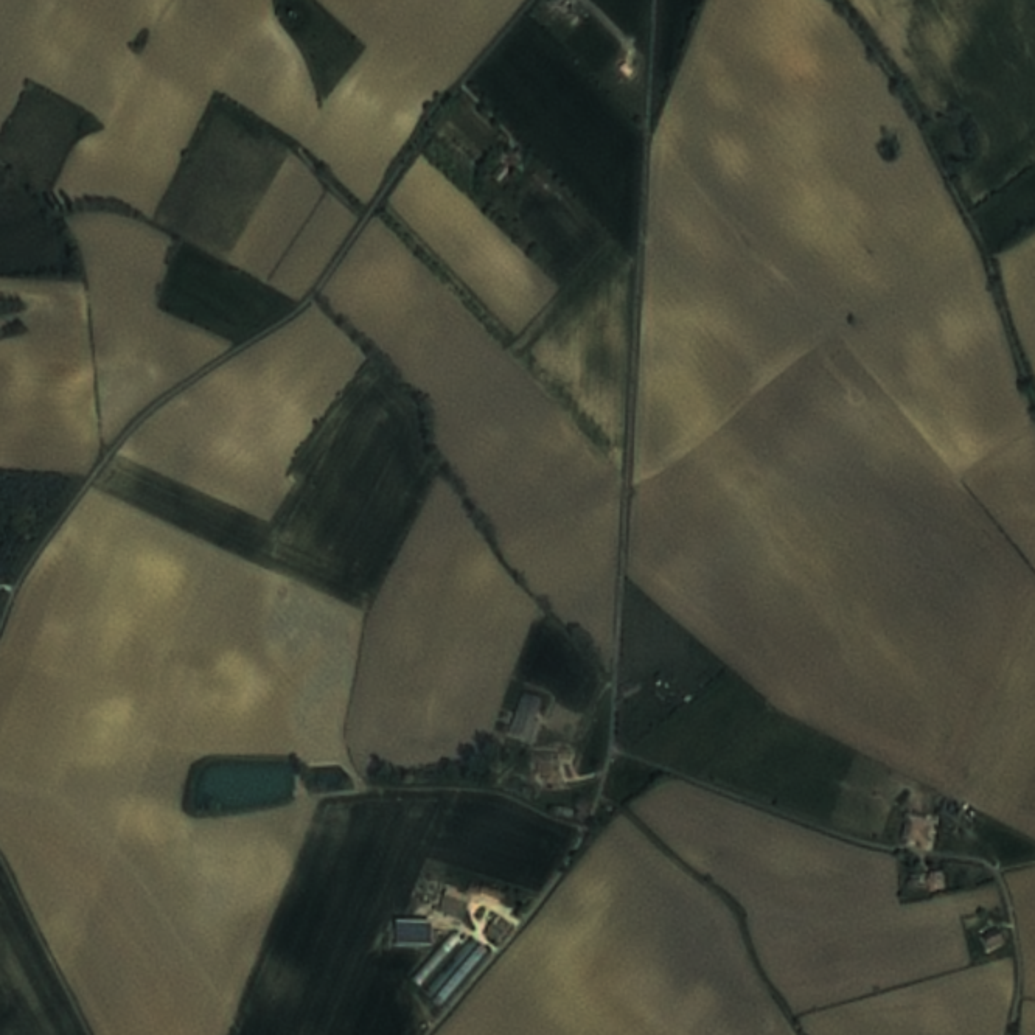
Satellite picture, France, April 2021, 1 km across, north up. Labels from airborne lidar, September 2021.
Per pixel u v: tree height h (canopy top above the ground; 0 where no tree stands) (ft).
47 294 0
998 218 0
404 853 0
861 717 0
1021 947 0
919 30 0
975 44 0
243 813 0
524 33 0
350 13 0
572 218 0
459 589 0
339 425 0
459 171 28
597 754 0
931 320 0
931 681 0
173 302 0
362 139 0
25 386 0
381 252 0
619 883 0
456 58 0
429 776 25
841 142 0
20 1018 0
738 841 0
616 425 0
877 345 0
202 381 0
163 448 0
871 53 35
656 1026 0
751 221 0
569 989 0
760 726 0
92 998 0
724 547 0
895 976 0
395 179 0
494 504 0
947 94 0
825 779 0
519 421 0
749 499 0
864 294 0
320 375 0
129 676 0
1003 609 0
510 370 0
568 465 0
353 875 0
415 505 0
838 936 0
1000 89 0
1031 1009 0
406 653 0
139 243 0
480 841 0
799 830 0
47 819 0
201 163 0
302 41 0
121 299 0
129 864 0
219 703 0
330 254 0
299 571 0
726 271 0
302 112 0
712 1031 0
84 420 0
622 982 0
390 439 0
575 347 0
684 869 0
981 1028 0
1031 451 0
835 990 0
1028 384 43
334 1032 0
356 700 0
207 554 0
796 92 0
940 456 0
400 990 0
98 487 0
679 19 0
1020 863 0
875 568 0
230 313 0
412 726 0
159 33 0
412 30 0
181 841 0
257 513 0
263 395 0
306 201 0
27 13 0
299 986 0
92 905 0
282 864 0
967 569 0
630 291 0
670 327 0
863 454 0
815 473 0
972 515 0
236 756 0
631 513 0
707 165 0
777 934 0
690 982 0
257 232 0
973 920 0
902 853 20
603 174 0
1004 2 0
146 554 0
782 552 0
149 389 0
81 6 0
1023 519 0
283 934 0
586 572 0
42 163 0
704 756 0
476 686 0
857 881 0
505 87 0
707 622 0
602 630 0
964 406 0
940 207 0
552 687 0
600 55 0
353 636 0
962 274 0
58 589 0
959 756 0
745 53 0
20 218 0
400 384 47
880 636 0
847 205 0
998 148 0
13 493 35
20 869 0
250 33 0
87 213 45
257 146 0
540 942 0
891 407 0
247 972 0
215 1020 0
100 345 0
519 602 0
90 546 0
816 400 0
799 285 0
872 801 0
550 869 0
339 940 0
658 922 0
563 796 0
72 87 0
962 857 0
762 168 0
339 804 0
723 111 0
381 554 0
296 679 0
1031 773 0
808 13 0
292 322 0
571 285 0
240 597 0
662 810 0
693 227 0
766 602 0
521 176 23
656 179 0
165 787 0
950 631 0
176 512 0
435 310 0
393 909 0
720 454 0
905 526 0
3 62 0
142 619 0
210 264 0
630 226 0
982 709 0
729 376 0
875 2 0
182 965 0
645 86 0
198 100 0
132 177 0
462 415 0
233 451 0
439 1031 0
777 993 0
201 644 0
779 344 0
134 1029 0
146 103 0
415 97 0
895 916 0
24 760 0
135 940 0
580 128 0
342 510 0
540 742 0
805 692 0
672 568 0
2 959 0
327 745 0
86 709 0
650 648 0
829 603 0
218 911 0
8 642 0
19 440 0
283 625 0
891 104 0
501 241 0
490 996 0
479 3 0
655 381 0
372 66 0
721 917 0
